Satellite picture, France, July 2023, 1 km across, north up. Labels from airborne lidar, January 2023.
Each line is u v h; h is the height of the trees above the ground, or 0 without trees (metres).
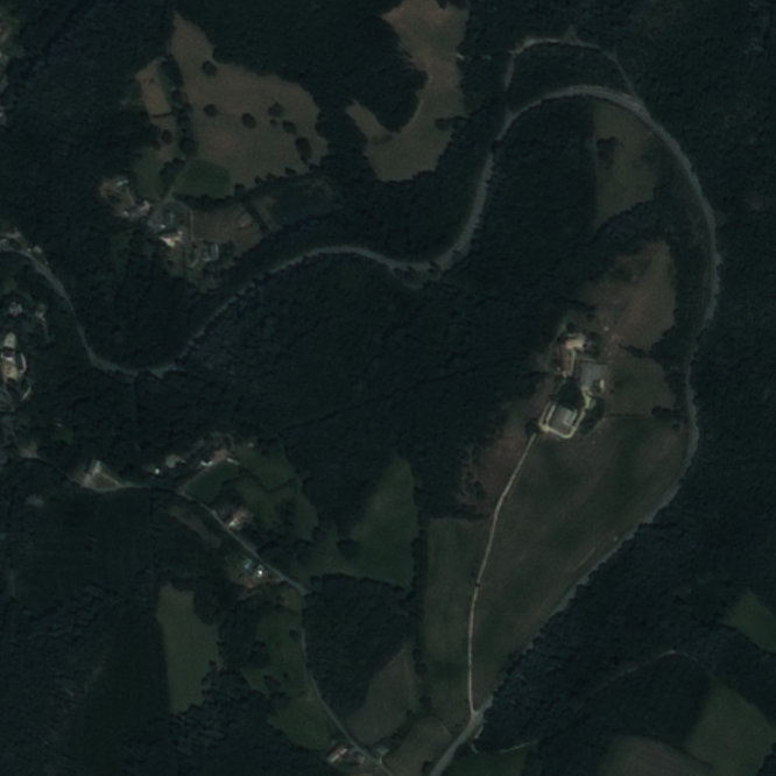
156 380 25
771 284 19
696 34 14
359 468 21
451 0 10
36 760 15
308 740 0
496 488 0
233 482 9
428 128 0
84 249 29
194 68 0
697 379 15
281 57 18
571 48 14
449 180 17
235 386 16
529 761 7
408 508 0
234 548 12
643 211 15
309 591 0
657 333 0
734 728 0
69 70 18
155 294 18
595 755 18
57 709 12
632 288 0
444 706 0
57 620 21
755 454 16
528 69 8
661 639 13
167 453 9
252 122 18
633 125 0
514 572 0
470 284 9
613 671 13
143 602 8
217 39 13
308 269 12
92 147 18
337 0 20
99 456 11
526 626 0
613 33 12
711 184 15
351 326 16
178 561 13
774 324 13
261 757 22
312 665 11
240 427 20
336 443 9
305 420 16
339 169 21
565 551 0
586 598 13
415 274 15
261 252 13
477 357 21
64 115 13
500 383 15
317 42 21
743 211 15
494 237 9
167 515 16
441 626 0
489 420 15
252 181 0
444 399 20
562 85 7
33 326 34
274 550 24
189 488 0
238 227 0
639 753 0
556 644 26
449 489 13
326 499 22
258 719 22
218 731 22
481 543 0
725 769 0
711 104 17
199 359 20
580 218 10
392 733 0
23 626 14
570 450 0
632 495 0
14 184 15
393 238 15
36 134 17
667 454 0
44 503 25
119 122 10
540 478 0
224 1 19
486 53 12
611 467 0
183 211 0
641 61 13
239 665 15
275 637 0
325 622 9
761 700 22
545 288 16
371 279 8
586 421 0
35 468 14
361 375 15
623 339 0
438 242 20
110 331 22
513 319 12
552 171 8
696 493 16
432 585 0
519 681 25
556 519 0
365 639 10
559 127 16
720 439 13
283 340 10
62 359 29
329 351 21
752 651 19
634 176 0
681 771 0
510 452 0
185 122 18
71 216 24
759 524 20
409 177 0
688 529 7
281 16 16
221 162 0
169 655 0
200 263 0
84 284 23
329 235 23
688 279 10
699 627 21
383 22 18
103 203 6
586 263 12
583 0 8
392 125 12
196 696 0
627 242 12
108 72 15
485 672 0
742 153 17
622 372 0
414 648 0
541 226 7
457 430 18
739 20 20
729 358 7
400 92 15
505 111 14
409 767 0
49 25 27
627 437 0
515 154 15
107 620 21
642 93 14
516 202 6
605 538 0
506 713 26
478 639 0
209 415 21
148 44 15
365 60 16
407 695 0
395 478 0
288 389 16
